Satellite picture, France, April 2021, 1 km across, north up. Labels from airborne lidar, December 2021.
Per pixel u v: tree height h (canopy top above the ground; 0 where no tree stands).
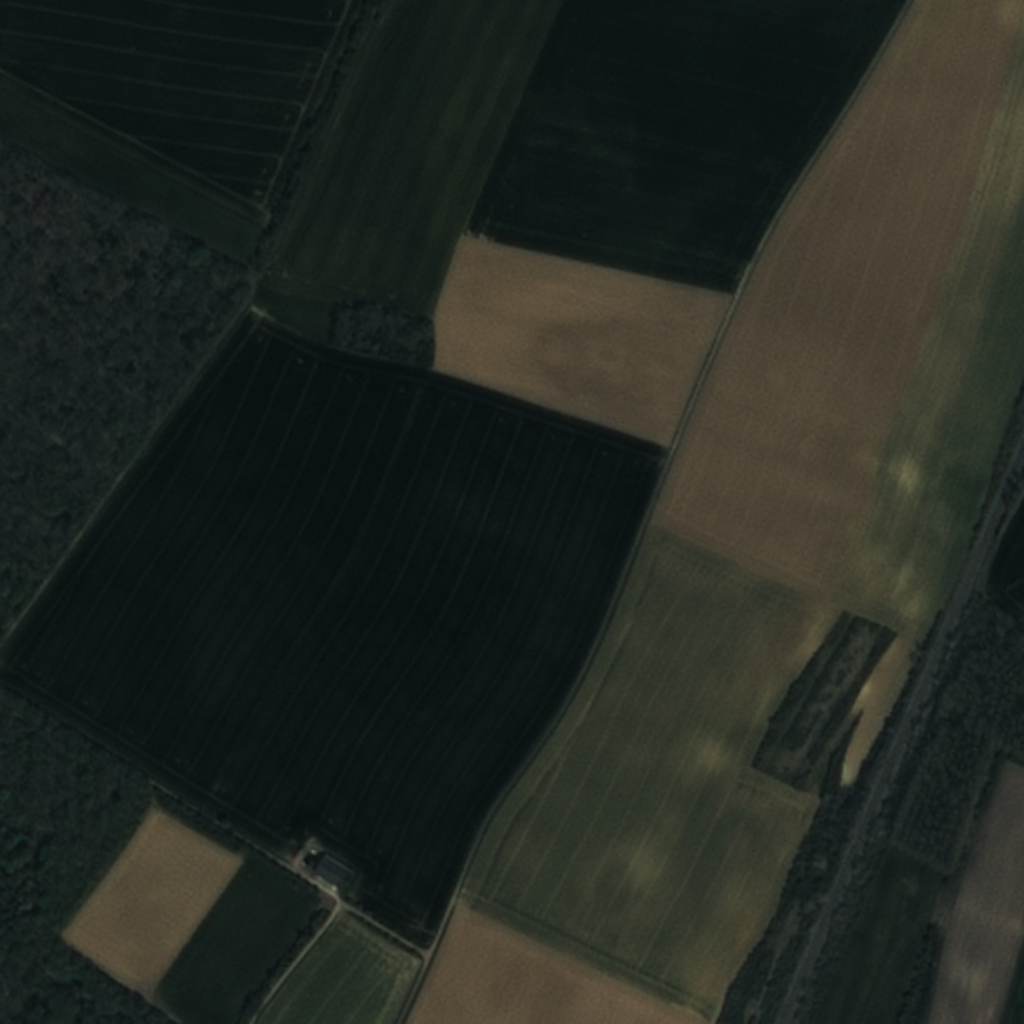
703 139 0
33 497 22
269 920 0
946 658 10
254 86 0
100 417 22
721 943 0
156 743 0
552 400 0
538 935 0
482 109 0
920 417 0
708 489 0
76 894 19
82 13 0
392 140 0
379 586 0
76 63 0
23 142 0
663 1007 0
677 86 0
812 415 0
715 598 0
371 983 0
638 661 0
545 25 0
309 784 0
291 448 0
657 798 0
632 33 0
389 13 0
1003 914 0
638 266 0
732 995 12
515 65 0
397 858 0
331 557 0
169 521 0
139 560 0
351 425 0
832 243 0
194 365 18
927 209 0
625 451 0
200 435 0
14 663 0
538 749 0
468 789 0
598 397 0
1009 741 39
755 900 0
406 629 0
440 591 0
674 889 0
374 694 0
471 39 0
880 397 0
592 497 0
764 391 0
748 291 0
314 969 0
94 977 16
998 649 33
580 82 0
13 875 12
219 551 0
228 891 0
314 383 0
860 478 0
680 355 0
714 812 0
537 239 0
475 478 0
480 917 0
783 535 0
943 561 0
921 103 0
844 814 12
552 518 0
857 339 0
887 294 0
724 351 0
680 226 0
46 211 18
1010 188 0
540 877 0
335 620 0
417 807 0
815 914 9
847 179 0
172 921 0
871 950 0
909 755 9
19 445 23
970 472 0
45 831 22
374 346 12
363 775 0
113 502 0
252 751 0
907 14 0
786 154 0
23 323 26
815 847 8
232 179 0
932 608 0
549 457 0
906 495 0
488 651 0
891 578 0
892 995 0
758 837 0
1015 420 11
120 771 16
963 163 0
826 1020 0
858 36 0
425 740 0
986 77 0
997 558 0
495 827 0
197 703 0
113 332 25
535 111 0
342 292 0
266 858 9
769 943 7
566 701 0
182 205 0
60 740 19
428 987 0
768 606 0
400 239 0
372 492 0
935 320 0
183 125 0
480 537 0
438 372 0
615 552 0
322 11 0
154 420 19
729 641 0
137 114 0
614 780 0
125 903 0
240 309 16
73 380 26
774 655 0
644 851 0
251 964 0
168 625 0
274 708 0
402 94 0
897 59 0
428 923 0
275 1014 0
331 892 0
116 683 0
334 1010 0
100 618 0
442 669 0
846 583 0
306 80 0
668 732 0
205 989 0
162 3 0
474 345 0
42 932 20
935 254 0
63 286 25
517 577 0
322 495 0
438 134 0
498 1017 0
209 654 0
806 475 0
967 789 40
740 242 0
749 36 0
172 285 24
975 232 0
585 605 0
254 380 0
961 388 0
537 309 0
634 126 0
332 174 0
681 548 0
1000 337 0
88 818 23
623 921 0
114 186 0
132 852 0
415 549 0
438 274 0
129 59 0
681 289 0
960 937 0
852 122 0
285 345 0
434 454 0
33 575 18
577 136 0
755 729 0
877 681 0
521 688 0
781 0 0
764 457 0
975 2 0
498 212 0
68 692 0
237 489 0
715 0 0
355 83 0
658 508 0
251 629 0
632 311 0
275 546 0
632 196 0
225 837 8
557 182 0
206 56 0
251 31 0
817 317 0
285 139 0
